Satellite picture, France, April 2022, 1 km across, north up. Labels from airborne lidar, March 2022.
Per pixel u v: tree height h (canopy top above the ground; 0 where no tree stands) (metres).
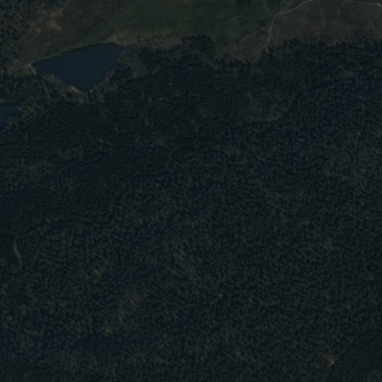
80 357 31
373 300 26
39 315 13
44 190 10
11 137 25
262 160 27
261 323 28
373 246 17
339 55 11
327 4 0
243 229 26
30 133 17
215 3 0
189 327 30
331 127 24
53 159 11
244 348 31
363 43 6
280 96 23
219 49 0
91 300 40
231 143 26
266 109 13
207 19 0
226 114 23
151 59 17
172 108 18
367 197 18
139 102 25
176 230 25
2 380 15
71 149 27
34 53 6
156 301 30
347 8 0
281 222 29
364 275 31
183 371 27
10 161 11
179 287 36
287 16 0
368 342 16
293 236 22
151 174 8
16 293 13
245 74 23
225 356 11
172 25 0
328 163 31
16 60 26
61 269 30
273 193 27
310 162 25
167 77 22
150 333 32
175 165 14
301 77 16
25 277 24
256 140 28
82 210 16
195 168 28
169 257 32
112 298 33
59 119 16
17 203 18
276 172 16
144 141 18
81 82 0
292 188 28
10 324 17
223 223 11
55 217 22
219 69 10
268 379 31
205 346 25
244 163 29
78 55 0
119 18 0
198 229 14
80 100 24
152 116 19
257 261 31
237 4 0
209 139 12
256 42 0
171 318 27
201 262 32
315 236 28
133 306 36
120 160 18
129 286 28
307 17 0
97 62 0
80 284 30
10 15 22
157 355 29
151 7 0
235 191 30
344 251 29
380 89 29
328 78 24
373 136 22
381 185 27
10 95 15
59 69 0
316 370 26
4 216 15
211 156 31
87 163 13
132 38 0
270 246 27
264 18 0
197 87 21
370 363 17
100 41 0
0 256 14
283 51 21
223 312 22
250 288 32
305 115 23
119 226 30
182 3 0
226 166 31
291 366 20
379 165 20
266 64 21
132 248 28
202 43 25
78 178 14
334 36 0
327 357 24
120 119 20
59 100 24
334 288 31
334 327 15
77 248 27
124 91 12
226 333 25
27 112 22
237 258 34
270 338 25
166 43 0
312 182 30
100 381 10
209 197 26
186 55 21
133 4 0
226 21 0
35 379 22
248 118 20
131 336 31
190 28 0
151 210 28
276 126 23
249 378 25
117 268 29
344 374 22
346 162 23
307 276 30
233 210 28
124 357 29
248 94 19
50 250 30
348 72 24
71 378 24
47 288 20
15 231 20
